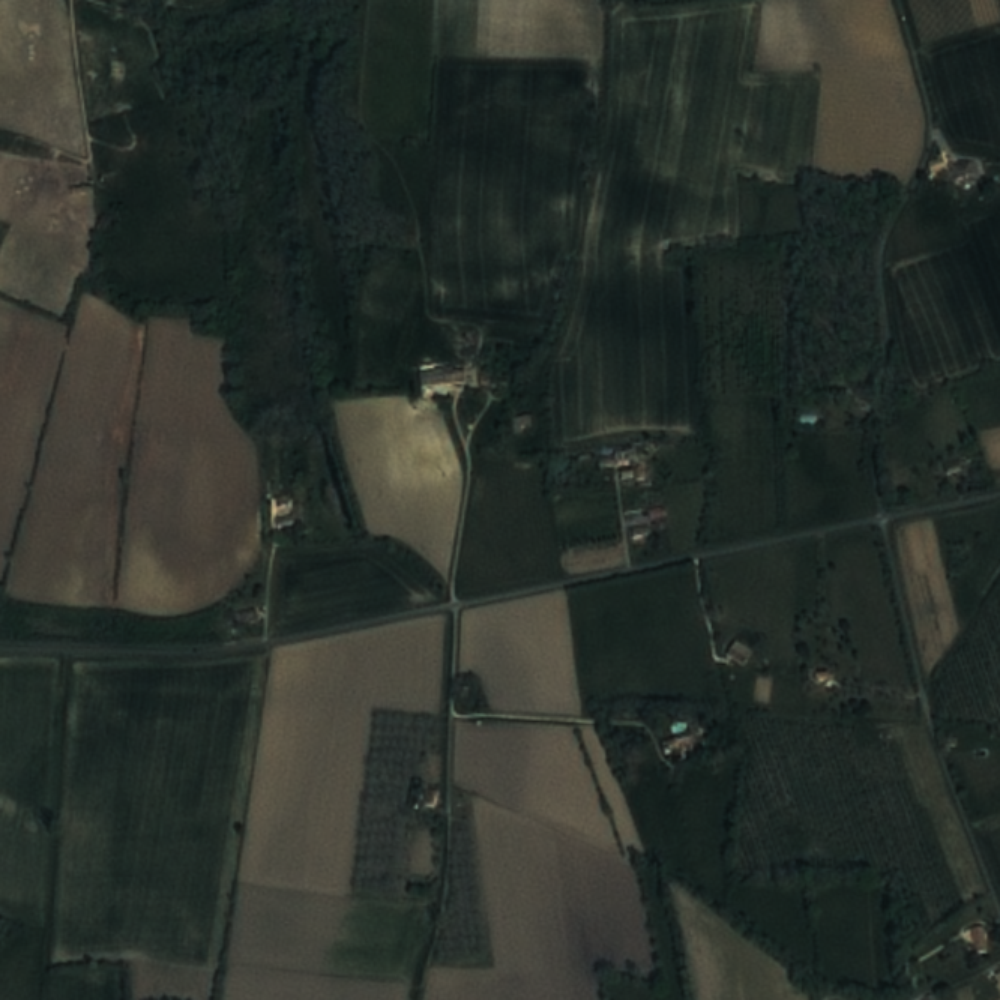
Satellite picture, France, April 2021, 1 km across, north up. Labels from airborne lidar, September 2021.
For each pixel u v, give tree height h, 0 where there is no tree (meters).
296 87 24
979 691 7
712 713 12
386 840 16
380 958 0
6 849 0
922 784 0
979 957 12
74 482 0
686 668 0
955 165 0
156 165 0
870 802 6
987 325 0
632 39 0
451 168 0
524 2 0
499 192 0
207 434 0
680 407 0
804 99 0
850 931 0
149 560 0
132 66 0
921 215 0
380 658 0
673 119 0
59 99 0
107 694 0
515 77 0
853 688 11
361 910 0
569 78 0
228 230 14
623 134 0
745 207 0
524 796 0
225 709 0
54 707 0
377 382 0
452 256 0
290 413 24
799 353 23
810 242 15
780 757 6
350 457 0
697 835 0
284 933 0
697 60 0
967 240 0
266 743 0
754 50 0
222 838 0
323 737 0
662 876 24
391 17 0
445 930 23
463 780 0
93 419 0
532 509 0
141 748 0
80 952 0
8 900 0
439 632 0
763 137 0
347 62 19
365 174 21
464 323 0
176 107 11
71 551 0
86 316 0
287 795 0
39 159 0
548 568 0
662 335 0
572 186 0
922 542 0
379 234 18
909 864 6
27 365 0
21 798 0
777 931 0
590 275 0
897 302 0
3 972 0
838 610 0
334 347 13
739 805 7
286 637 0
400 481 0
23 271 0
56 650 0
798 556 0
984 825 0
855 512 0
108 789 0
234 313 6
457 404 0
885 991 14
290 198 11
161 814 0
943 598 0
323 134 24
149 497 0
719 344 6
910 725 0
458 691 16
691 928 0
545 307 0
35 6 0
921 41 0
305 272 15
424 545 0
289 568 0
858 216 25
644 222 0
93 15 0
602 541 9
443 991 0
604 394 0
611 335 0
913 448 0
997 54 0
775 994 0
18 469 0
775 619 0
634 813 0
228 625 11
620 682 0
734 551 0
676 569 8
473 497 0
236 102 20
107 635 6
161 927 0
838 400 17
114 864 0
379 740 13
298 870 0
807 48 0
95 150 0
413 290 0
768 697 0
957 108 0
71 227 0
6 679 0
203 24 11
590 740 0
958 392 6
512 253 0
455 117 0
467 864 15
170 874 0
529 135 0
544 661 0
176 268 0
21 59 0
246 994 0
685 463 0
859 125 0
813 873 19
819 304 23
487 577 0
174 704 0
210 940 0
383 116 0
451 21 0
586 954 0
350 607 0
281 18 22
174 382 0
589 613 0
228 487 0
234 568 0
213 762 0
